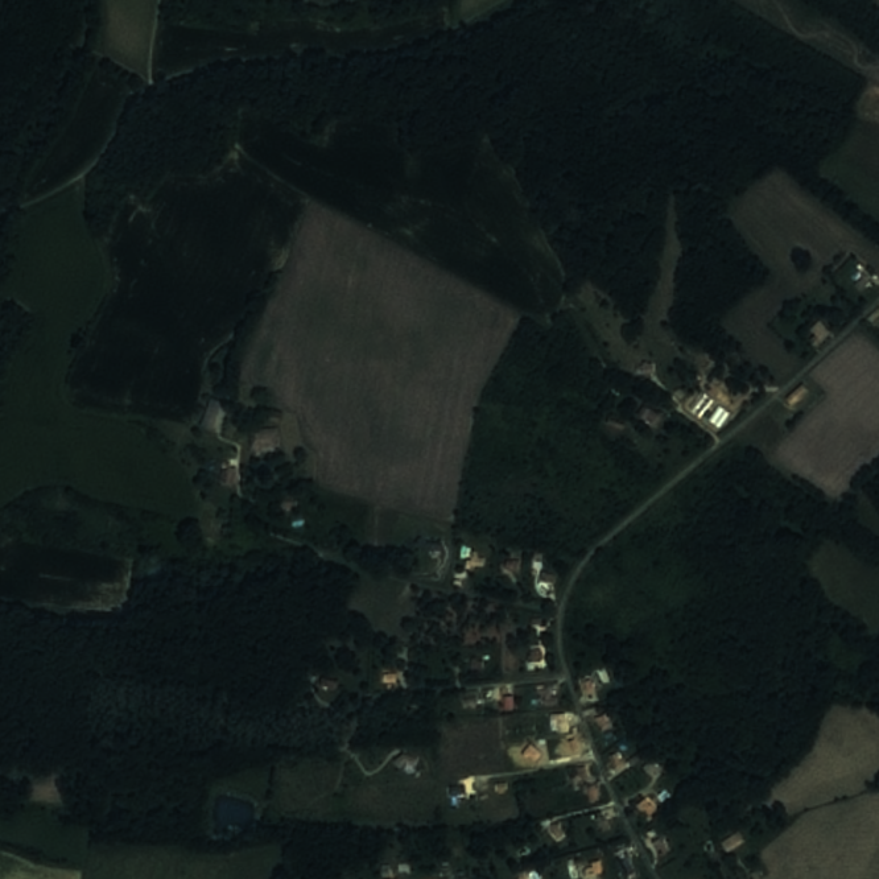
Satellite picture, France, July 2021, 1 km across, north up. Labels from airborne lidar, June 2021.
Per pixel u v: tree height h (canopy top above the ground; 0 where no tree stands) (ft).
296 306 0
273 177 0
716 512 39
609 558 32
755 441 0
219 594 107
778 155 50
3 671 67
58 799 0
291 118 41
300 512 54
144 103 71
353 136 0
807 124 62
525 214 0
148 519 27
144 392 0
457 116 82
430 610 33
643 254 47
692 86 62
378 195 0
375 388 0
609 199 72
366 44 0
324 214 0
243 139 0
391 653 43
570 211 75
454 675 28
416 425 0
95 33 44
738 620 52
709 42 67
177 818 39
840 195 61
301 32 0
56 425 0
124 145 54
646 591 18
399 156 0
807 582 59
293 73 87
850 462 0
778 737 33
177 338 0
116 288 0
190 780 63
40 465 0
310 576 77
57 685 56
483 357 0
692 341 35
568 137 71
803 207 0
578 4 80
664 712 53
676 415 21
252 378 0
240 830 21
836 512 45
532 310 0
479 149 0
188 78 32
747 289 36
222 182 0
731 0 34
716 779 73
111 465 0
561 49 77
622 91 79
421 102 78
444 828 29
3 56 52
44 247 0
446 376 0
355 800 0
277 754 57
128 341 0
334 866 61
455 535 17
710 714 25
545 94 81
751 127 70
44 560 0
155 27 0
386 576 60
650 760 40
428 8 55
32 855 18
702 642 28
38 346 0
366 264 0
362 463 0
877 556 41
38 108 66
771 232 0
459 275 0
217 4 31
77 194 0
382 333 0
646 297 40
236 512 34
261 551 24
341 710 69
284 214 0
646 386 49
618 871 0
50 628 76
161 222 0
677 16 70
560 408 27
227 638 78
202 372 0
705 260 59
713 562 47
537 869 38
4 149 49
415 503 0
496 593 37
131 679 62
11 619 63
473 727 0
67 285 0
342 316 0
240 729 65
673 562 19
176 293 0
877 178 0
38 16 62
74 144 0
